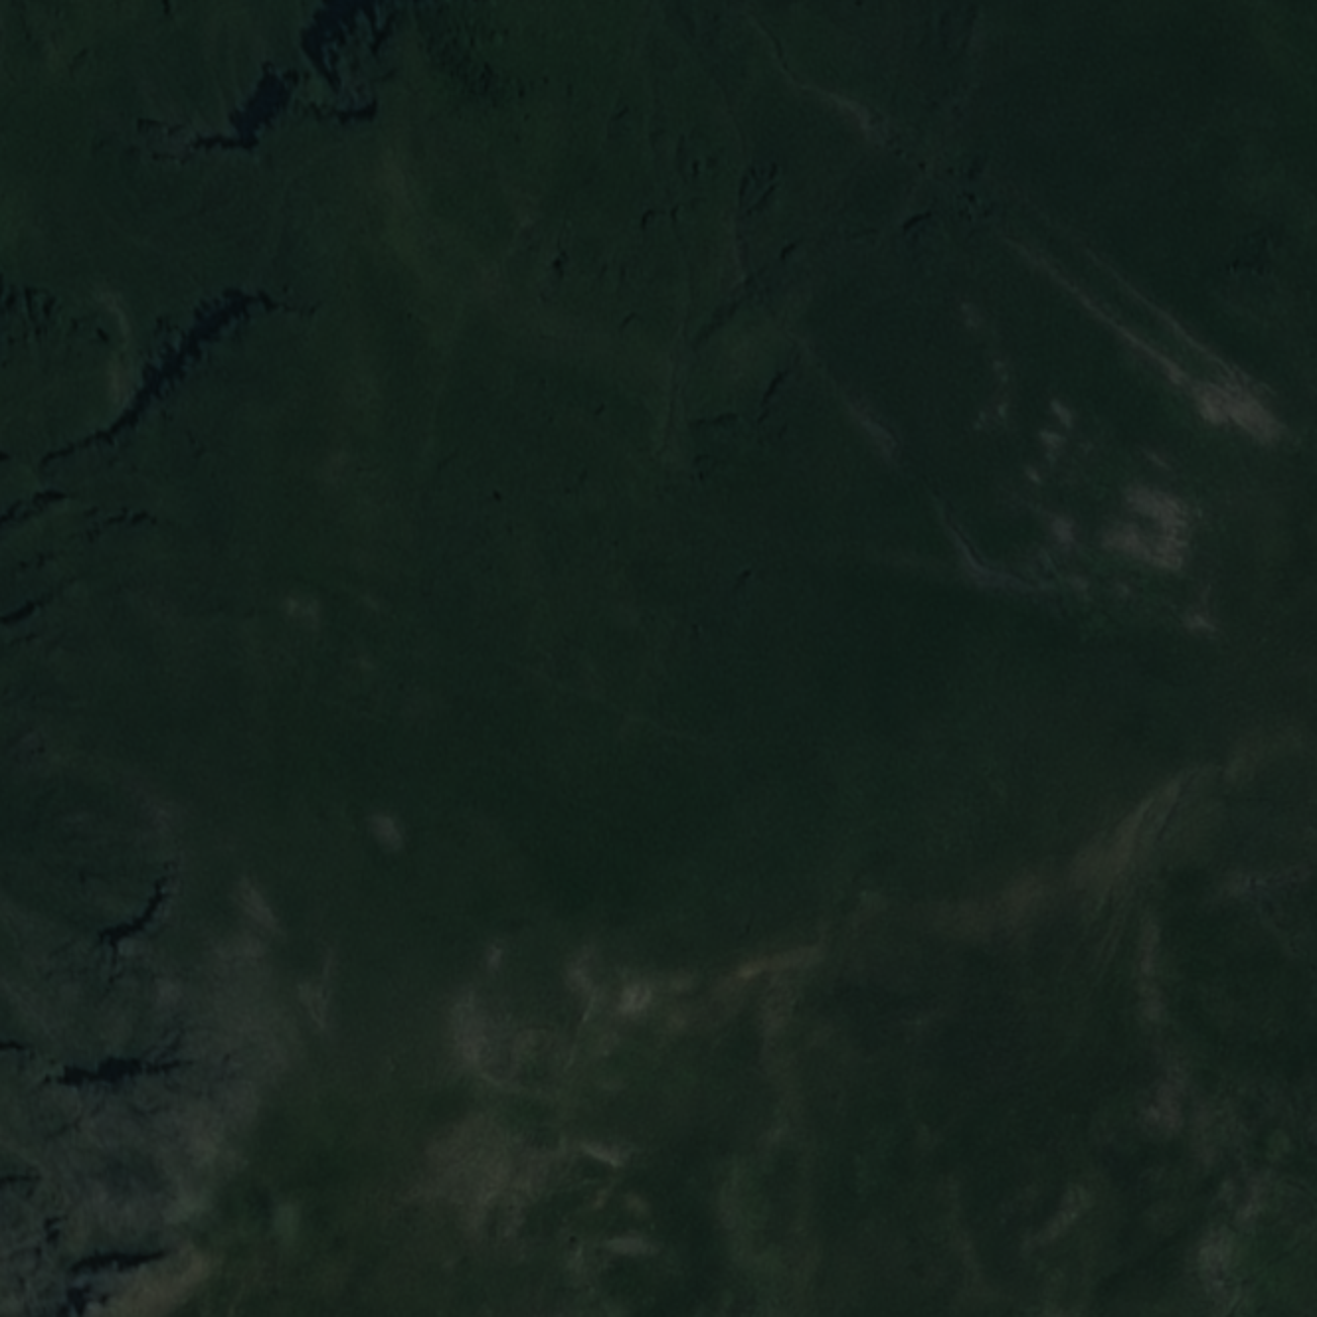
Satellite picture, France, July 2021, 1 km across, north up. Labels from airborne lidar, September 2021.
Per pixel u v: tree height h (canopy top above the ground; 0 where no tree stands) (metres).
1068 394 0
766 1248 0
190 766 0
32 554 0
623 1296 0
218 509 0
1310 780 0
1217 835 0
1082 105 0
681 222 0
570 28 0
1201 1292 0
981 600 0
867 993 0
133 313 0
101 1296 0
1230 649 0
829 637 0
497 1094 0
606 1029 0
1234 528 0
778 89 0
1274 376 0
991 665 0
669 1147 0
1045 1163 0
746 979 0
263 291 0
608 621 0
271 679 0
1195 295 0
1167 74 0
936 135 0
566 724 0
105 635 0
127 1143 0
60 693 0
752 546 0
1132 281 0
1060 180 0
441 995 0
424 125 0
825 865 0
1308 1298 0
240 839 0
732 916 0
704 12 0
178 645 0
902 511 0
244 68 0
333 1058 0
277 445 0
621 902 0
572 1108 0
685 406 0
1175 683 0
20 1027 0
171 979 0
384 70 0
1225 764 0
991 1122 0
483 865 0
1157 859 0
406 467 0
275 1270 0
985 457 0
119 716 0
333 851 0
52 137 0
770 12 0
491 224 0
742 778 0
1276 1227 0
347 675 0
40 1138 0
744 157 0
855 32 0
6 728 0
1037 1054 0
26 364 0
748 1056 0
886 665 0
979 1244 0
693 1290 0
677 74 0
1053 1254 0
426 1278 0
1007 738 0
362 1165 0
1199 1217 0
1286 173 0
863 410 0
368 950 0
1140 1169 0
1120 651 0
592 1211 0
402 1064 0
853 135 0
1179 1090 0
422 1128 0
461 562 0
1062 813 0
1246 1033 0
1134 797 0
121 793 0
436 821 0
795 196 0
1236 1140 0
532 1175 0
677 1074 0
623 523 0
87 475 0
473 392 0
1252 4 0
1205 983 0
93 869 0
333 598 0
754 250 0
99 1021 0
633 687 0
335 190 0
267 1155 0
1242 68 0
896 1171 0
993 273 0
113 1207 0
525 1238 0
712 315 0
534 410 0
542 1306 0
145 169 0
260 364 0
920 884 0
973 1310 0
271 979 0
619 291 0
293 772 0
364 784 0
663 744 0
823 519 0
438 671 0
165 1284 0
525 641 0
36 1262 0
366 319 0
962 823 0
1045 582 0
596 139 0
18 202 0
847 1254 0
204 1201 0
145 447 0
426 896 0
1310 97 0
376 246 0
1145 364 0
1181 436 0
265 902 0
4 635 0
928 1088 0
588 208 0
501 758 0
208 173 0
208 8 0
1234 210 0
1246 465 0
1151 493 0
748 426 0
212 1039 0
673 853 0
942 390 0
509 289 0
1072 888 0
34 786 0
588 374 0
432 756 0
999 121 0
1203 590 0
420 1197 0
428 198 0
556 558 0
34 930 0
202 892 0
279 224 0
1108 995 0
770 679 0
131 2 0
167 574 0
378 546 0
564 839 0
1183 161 0
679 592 0
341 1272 0
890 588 0
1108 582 0
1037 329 0
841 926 0
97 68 0
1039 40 0
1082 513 0
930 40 0
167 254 0
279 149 0
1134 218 0
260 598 0
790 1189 0
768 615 0
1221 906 0
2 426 0
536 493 0
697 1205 0
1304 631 0
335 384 0
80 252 0
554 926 0
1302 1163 0
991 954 0
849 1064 0
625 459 0
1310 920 0
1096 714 0
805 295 0
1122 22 0
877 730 0
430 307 0
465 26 7
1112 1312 0
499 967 0
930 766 0
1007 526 0
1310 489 0
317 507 0
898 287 0
